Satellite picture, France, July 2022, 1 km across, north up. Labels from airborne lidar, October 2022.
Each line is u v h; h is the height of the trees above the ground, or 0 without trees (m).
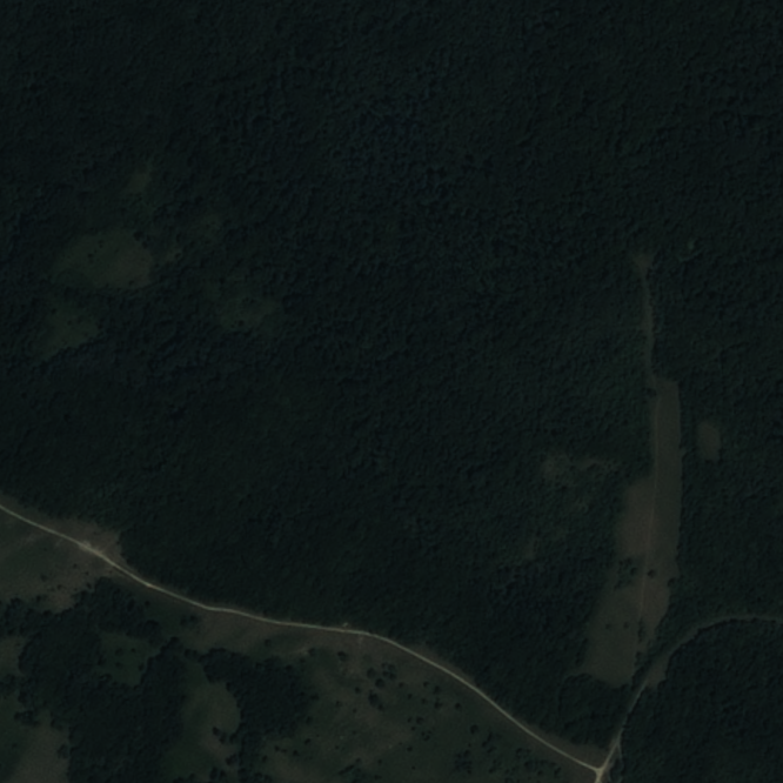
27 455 23
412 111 22
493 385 9
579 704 16
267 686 16
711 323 23
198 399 30
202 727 0
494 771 7
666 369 15
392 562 21
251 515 11
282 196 16
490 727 0
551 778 0
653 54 21
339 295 17
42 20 24
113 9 24
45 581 7
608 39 28
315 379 22
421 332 20
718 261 20
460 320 26
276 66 19
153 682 12
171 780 0
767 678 11
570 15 30
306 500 25
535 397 14
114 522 9
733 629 15
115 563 0
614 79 24
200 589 18
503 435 14
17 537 0
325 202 20
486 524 8
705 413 11
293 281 14
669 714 14
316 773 0
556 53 27
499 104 22
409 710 0
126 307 18
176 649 10
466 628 18
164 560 14
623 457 7
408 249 23
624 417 8
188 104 7
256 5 21
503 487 8
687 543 10
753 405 28
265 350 10
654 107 23
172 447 19
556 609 24
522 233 28
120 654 8
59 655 15
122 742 18
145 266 0
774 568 18
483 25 17
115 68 29
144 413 22
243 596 13
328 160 21
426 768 0
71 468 16
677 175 27
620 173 6
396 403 13
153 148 6
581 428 9
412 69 22
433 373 23
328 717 0
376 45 19
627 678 0
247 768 5
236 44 22
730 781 6
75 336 0
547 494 7
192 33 24
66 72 24
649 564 0
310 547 18
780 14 25
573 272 12
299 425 19
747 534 15
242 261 12
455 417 18
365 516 18
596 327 7
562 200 19
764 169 25
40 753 0
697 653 15
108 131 24
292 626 0
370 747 0
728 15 31
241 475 16
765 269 12
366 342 25
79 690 20
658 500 0
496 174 27
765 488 14
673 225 17
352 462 27
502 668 16
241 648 0
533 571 9
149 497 15
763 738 24
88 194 16
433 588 18
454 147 23
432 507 11
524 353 8
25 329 15
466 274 31
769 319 16
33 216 15
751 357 19
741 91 34
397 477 8
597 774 0
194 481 14
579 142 29
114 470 19
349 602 16
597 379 10
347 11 23
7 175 19
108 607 14
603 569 8
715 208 23
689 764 13
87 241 0
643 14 20
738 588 13
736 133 30
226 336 6
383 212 29
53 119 23
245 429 17
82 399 21
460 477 17
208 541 18
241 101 16
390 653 0
